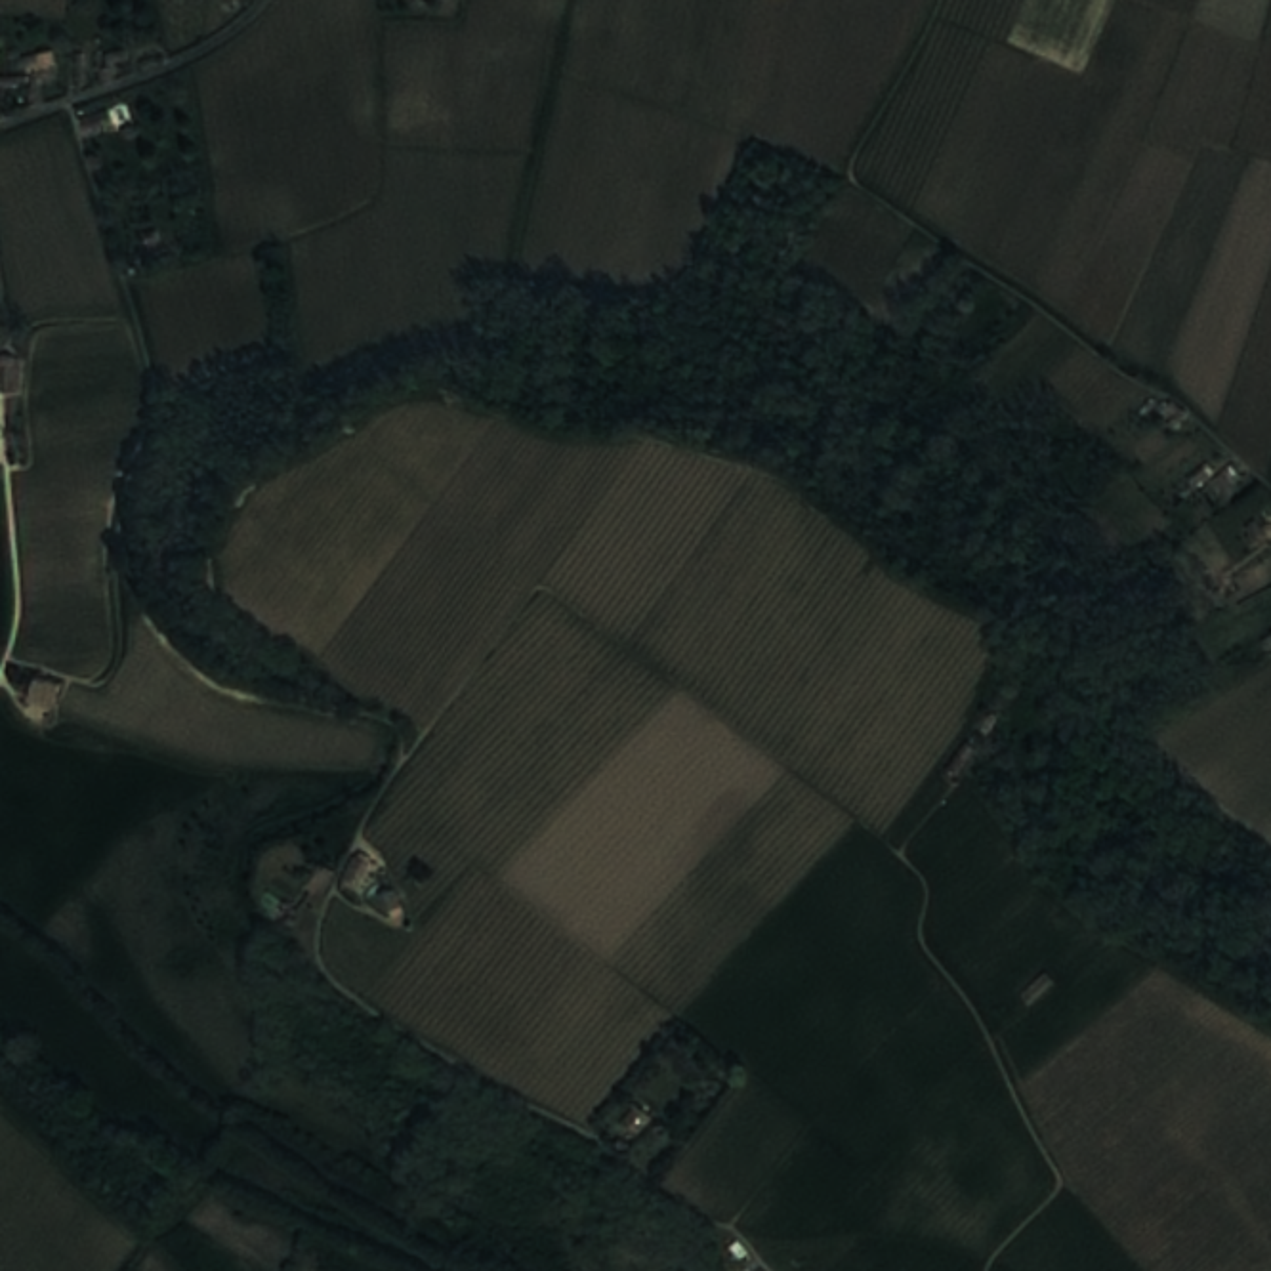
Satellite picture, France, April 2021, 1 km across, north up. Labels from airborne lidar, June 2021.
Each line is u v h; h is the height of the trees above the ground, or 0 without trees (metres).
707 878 0
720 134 0
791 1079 0
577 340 23
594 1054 0
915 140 0
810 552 0
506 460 0
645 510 0
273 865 0
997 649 14
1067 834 27
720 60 0
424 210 0
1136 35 0
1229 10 0
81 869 0
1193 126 0
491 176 0
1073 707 28
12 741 0
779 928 0
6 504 0
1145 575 8
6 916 20
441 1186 23
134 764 0
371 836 0
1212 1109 0
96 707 0
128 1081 0
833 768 0
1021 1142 0
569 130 0
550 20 0
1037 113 0
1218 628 0
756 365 10
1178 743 0
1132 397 0
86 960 0
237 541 0
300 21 0
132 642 0
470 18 0
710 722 0
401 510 0
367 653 0
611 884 0
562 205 0
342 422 12
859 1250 0
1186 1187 0
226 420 18
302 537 0
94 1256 0
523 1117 19
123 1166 7
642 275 0
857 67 0
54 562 0
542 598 0
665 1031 10
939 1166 0
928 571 16
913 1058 0
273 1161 15
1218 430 0
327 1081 14
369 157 0
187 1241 0
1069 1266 0
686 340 9
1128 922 21
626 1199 22
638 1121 0
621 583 0
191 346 0
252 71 0
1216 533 0
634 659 0
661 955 0
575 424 10
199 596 16
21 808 0
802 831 0
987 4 0
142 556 16
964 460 15
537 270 0
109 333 0
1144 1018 0
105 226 16
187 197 16
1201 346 0
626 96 0
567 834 0
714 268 26
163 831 0
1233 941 23
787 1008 0
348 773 0
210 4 0
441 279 0
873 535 8
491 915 0
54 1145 6
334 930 0
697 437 13
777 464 20
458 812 0
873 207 0
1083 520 16
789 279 18
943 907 0
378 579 0
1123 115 0
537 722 0
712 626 0
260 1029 15
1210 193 0
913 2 0
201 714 0
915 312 25
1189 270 0
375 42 0
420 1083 9
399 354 6
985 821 0
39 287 0
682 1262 21
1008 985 0
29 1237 0
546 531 0
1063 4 0
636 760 0
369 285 0
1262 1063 0
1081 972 0
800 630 0
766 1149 0
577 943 0
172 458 19
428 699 0
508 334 22
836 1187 0
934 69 0
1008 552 14
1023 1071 0
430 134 0
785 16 0
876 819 0
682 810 0
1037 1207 0
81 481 0
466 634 0
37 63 0
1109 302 0
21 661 0
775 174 15
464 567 0
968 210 0
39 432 0
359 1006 8
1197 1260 0
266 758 0
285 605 0
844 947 0
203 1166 18
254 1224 0
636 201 0
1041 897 0
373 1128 10
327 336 0
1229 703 0
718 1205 0
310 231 0
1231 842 16
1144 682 9
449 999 0
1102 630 23
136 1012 0
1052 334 0
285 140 0
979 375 16
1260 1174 0
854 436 25
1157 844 28
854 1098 0
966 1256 0
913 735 0
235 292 0
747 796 0
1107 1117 0
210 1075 0
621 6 0
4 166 0
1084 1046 0
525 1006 0
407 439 0
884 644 0
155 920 0
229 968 0
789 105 0
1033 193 0
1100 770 27
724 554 0
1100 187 0
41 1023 0
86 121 0
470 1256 15
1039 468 8
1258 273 0
